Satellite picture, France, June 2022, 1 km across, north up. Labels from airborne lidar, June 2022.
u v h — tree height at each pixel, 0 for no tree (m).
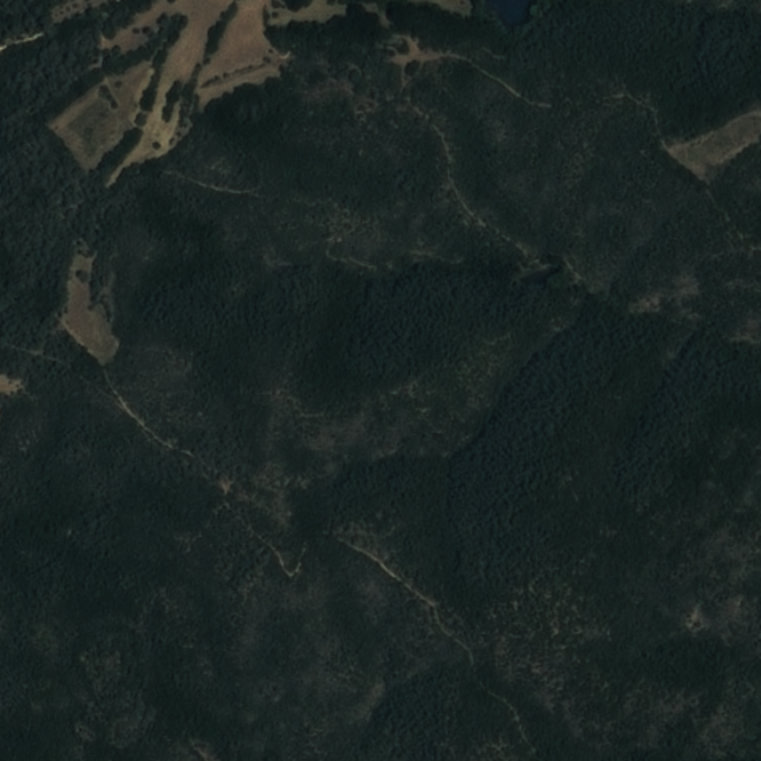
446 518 7
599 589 11
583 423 11
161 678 10
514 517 9
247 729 7
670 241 7
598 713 8
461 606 7
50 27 20
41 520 12
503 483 16
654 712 9
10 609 6
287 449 8
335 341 21
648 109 9
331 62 9
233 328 8
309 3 10
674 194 7
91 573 11
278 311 9
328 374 14
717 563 7
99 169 12
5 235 17
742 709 6
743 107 9
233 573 9
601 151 7
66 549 12
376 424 6
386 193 6
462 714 10
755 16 10
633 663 7
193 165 9
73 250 18
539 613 7
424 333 15
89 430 11
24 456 9
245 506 7
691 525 6
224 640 8
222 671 9
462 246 9
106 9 13
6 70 13
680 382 18
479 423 8
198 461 12
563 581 10
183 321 18
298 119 10
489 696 9
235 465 14
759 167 9
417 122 10
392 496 6
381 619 6
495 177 8
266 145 11
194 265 17
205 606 11
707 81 12
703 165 0
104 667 6
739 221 10
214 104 12
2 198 18
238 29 0
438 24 14
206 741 10
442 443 7
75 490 9
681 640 6
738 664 10
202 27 0
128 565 9
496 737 6
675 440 15
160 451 8
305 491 8
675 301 10
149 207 13
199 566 6
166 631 13
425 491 6
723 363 15
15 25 9
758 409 13
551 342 6
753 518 6
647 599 7
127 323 5
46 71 19
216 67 0
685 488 8
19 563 7
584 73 7
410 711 6
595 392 7
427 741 8
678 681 10
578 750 9
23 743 6
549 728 7
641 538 11
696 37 9
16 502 13
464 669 6
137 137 11
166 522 9
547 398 16
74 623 8
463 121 10
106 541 15
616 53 11
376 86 6
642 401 11
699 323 7
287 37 12
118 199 19
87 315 0
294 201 6
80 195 16
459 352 16
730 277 7
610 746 6
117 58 8
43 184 21
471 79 6
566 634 6
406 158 9
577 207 6
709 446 12
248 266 8
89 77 10
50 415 7
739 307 8
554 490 11
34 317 13
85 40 20
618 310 9
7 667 9
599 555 9
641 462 17
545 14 6
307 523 10
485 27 14
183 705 14
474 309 6
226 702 6
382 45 10
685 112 11
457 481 20
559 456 11
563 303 7
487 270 13
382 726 9
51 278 10
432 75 7
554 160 6
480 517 13
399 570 6
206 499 8
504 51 9
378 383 9
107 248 10
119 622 8
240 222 7
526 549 13
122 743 8
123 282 7
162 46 13
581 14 15
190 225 14
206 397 12
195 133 8
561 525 9
